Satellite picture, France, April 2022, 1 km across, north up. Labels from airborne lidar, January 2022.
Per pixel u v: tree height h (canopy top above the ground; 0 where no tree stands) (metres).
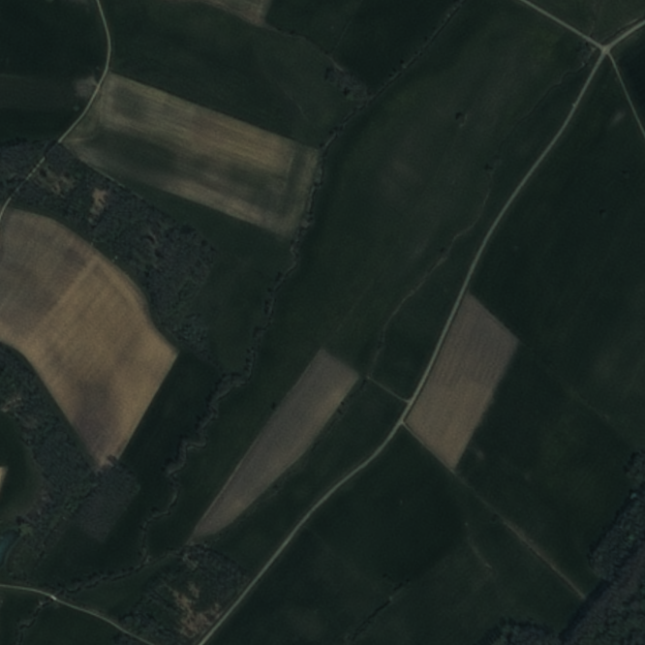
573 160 0
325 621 0
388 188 0
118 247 17
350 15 0
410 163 0
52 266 0
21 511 0
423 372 0
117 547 0
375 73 0
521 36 0
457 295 0
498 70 0
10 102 0
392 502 0
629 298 0
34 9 0
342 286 0
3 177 7
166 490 0
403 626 0
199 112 0
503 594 0
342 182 0
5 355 19
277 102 0
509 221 0
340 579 0
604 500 0
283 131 0
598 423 0
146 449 0
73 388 0
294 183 0
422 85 0
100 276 0
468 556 0
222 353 0
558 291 0
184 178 0
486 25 0
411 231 0
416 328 0
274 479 0
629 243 0
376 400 0
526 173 0
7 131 0
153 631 29
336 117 0
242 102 0
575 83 0
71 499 23
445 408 0
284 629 0
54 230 0
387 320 0
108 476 18
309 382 0
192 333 8
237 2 0
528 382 0
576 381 0
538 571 0
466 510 0
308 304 0
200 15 0
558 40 0
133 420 0
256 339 10
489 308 0
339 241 0
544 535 0
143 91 0
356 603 0
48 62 0
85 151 0
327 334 0
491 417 0
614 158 0
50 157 19
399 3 0
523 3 0
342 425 0
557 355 0
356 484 0
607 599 26
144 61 0
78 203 8
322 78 0
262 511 0
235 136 0
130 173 0
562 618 0
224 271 0
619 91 0
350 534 0
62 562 0
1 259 0
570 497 0
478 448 0
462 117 12
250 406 0
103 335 0
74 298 0
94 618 0
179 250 29
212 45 0
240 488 0
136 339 0
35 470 0
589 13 0
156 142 0
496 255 0
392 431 0
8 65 0
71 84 0
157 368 0
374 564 0
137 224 27
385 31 0
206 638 0
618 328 0
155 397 0
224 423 0
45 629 0
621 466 0
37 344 0
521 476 0
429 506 0
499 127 0
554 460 0
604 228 0
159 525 0
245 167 0
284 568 0
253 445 0
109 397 0
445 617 0
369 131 0
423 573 0
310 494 0
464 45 0
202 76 0
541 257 0
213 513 0
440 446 0
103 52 0
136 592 0
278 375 0
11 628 0
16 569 0
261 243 0
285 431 0
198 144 0
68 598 0
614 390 0
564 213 0
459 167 0
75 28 0
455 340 0
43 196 20
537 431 0
